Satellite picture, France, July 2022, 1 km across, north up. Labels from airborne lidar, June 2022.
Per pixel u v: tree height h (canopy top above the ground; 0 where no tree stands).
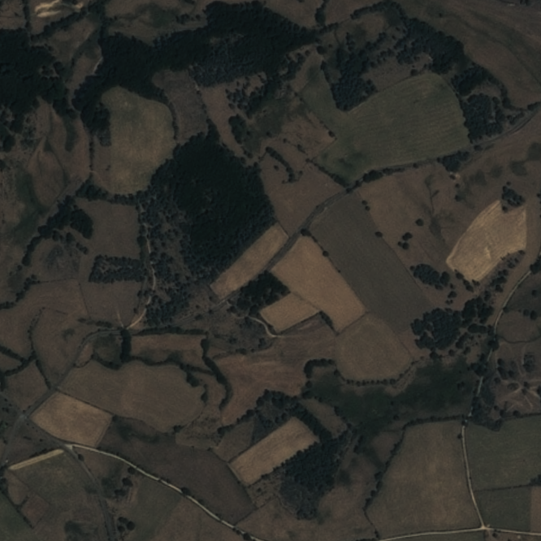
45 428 0
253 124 0
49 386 6
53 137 0
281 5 0
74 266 0
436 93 0
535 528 0
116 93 0
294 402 13
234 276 0
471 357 0
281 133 0
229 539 0
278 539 0
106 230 0
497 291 13
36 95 13
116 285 0
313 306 0
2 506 0
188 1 17
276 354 0
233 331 0
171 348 0
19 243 0
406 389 0
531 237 0
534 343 0
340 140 0
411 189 0
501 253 0
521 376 0
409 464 0
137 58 21
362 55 16
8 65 23
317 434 13
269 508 0
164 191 9
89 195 17
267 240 0
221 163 18
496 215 0
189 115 0
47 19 0
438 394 0
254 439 7
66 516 0
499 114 14
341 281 0
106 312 0
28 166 0
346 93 22
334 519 0
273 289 10
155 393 0
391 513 0
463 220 0
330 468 21
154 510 0
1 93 15
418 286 0
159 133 0
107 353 0
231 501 0
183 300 12
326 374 0
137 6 0
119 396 0
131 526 11
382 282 0
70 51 0
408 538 0
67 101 12
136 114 0
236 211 16
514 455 0
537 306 0
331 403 0
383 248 0
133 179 0
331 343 0
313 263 0
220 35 14
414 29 13
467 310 15
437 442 0
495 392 0
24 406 0
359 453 10
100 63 0
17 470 0
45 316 0
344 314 0
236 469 0
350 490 0
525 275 0
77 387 0
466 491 0
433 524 0
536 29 0
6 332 0
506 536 0
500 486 0
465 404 0
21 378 0
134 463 7
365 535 0
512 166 0
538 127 0
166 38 10
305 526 0
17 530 0
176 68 13
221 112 0
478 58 0
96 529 0
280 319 0
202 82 13
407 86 0
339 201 0
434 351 10
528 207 0
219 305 0
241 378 0
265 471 0
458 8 0
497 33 0
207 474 0
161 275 14
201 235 16
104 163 0
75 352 0
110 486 0
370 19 0
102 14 13
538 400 0
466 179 0
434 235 0
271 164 0
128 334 15
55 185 0
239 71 19
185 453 0
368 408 0
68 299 0
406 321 0
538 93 0
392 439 0
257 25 17
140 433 0
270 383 0
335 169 0
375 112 0
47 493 0
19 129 16
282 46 23
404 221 0
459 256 0
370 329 0
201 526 0
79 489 0
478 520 0
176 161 12
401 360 0
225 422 0
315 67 0
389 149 0
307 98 0
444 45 13
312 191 0
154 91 12
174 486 0
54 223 17
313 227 0
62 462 0
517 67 0
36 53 20
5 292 0
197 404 0
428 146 0
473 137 11
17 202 0
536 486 0
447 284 11
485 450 0
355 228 0
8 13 0
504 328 0
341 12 0
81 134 0
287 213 0
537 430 0
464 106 11
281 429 0
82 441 0
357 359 0
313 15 0
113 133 0
